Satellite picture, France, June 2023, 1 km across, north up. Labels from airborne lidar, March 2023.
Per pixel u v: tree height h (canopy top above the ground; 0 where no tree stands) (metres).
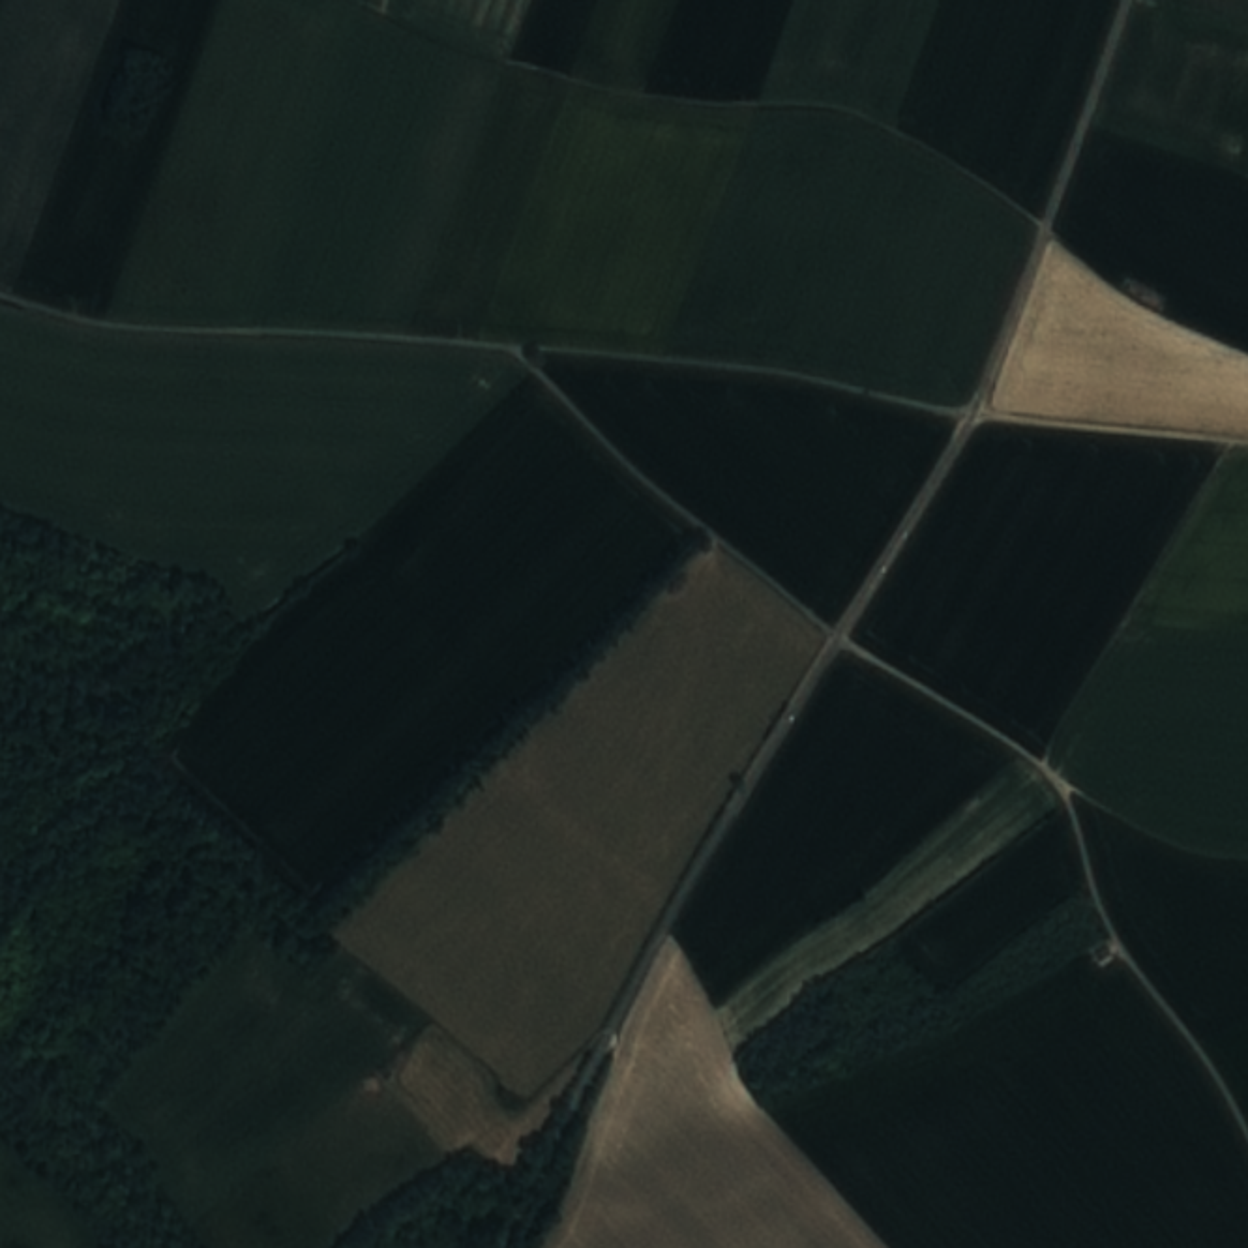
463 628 0
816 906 0
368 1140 0
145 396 0
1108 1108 0
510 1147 0
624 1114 0
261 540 0
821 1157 0
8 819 10
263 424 0
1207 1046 0
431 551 0
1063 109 0
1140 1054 0
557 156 0
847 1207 0
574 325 0
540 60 0
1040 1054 0
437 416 0
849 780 0
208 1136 0
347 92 0
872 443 0
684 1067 0
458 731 0
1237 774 0
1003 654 0
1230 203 0
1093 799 0
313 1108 0
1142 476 0
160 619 19
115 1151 10
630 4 0
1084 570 0
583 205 0
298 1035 0
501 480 0
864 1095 0
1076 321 0
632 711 0
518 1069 0
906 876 0
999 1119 0
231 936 19
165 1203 15
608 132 0
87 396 0
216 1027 0
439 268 0
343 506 0
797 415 0
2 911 13
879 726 0
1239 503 0
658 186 0
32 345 0
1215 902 0
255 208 0
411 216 0
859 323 0
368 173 0
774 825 0
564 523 0
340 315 0
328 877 0
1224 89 0
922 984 6
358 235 0
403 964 0
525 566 0
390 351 0
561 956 0
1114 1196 0
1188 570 0
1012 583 0
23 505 0
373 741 0
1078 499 0
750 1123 0
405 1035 0
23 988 17
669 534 0
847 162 0
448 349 0
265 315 0
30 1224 0
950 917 0
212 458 0
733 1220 0
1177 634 0
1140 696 0
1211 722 0
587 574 0
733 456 0
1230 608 0
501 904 0
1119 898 0
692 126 0
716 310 0
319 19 0
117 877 15
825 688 0
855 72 0
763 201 0
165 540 0
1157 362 0
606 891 0
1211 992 0
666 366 0
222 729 0
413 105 0
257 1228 0
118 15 0
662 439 0
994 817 0
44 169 0
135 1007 14
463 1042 0
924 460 0
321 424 0
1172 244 0
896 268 0
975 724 0
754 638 0
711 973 0
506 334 0
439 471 0
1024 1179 0
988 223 0
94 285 0
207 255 0
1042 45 0
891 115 0
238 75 0
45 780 12
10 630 16
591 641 11
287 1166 0
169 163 0
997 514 0
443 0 0
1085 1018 0
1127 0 0
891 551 0
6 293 0
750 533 0
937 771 0
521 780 0
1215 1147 0
